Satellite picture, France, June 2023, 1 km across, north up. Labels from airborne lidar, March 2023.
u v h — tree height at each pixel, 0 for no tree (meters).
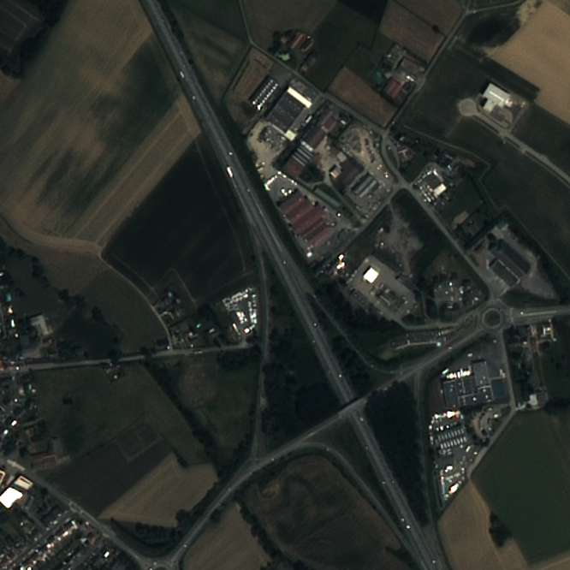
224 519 0
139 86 0
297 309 0
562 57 0
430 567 0
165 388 8
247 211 0
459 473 0
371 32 0
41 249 0
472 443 0
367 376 10
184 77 0
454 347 0
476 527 0
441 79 0
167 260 0
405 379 0
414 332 0
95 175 0
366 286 0
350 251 0
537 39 0
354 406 0
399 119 0
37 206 0
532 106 0
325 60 0
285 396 27
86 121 0
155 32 0
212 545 0
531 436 0
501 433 0
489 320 0
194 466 0
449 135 0
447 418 0
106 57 0
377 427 27
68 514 0
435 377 0
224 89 0
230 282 0
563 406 20
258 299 0
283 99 0
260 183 0
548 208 0
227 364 7
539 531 0
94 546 0
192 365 0
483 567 0
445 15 0
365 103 0
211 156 0
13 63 0
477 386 0
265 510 0
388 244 0
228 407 0
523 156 0
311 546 0
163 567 0
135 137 0
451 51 0
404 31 0
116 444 0
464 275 0
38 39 10
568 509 0
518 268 0
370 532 0
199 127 0
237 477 0
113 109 0
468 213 0
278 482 0
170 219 0
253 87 0
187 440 0
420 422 0
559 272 0
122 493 0
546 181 0
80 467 0
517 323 0
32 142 0
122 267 0
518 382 5
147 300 0
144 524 0
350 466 0
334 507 0
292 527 0
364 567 0
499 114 0
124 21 0
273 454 0
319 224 0
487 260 0
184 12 0
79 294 0
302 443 0
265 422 20
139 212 0
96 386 0
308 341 0
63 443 0
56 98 0
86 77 0
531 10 0
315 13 0
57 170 0
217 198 0
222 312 0
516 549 0
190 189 0
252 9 0
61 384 0
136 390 0
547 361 0
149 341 0
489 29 0
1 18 0
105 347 0
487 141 0
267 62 0
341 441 0
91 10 0
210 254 0
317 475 0
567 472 0
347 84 0
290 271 0
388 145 0
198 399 0
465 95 0
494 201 0
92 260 0
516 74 0
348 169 0
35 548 0
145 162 0
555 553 0
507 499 0
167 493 0
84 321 0
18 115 0
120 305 0
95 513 0
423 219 0
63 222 0
